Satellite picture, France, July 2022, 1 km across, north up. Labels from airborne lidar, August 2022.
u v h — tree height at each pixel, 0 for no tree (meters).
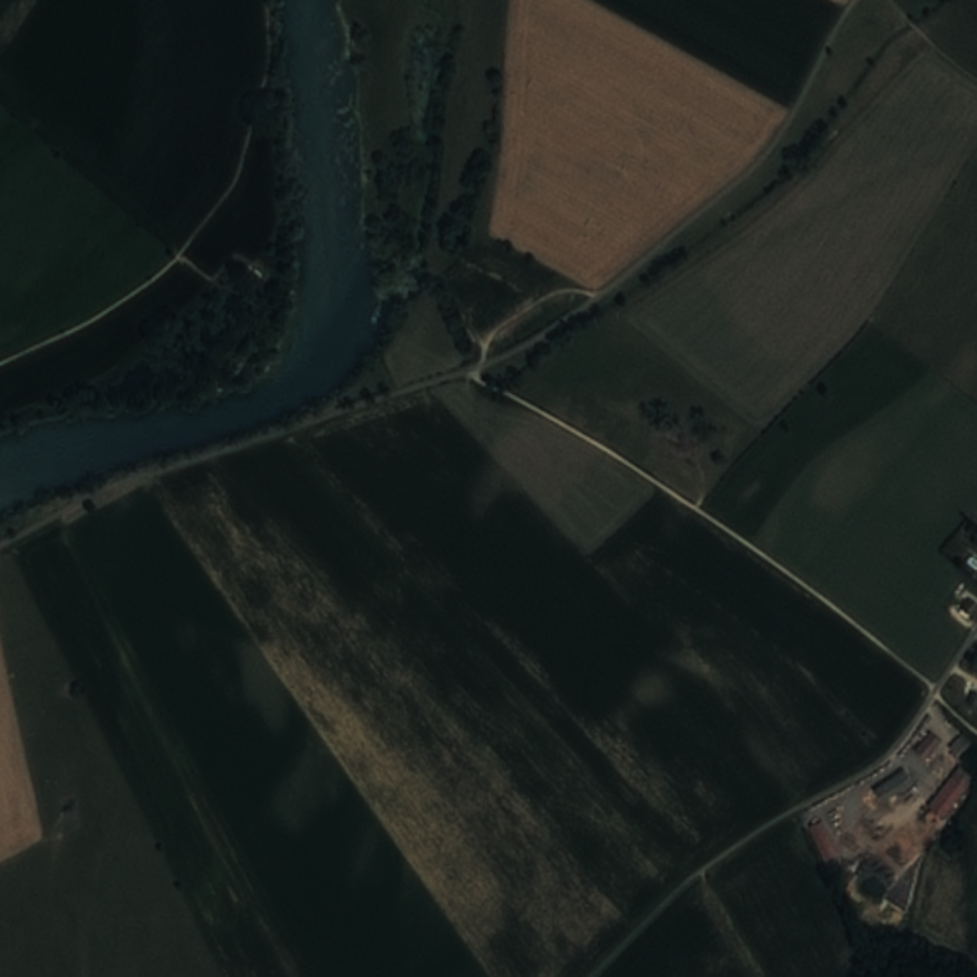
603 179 0
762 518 0
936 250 0
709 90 0
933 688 0
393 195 11
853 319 0
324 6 0
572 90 0
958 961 19
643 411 14
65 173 0
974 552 0
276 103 8
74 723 0
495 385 10
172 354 31
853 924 33
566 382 0
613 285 0
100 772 0
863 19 0
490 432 0
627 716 0
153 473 0
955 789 0
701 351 0
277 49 6
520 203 0
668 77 0
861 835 0
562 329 13
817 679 0
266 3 10
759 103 0
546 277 0
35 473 0
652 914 0
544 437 0
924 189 0
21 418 10
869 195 0
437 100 6
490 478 0
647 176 0
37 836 0
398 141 13
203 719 0
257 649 0
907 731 0
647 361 0
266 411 0
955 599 0
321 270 0
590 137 0
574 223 0
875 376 0
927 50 0
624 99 0
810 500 0
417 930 0
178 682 0
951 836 15
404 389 0
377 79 0
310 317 0
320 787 0
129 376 0
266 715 0
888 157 0
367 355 18
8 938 0
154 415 0
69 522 0
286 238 9
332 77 0
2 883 0
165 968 0
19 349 0
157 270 0
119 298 0
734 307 0
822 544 0
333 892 0
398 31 0
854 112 0
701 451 0
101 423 0
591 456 0
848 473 0
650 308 0
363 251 0
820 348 0
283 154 15
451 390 0
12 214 0
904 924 0
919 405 0
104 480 9
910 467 0
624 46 0
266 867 0
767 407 0
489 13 0
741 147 0
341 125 0
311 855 0
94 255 0
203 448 9
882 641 0
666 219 0
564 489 0
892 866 0
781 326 0
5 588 0
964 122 0
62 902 0
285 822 0
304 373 0
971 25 0
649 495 0
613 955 0
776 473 0
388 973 0
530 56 0
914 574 0
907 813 0
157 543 0
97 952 0
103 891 0
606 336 0
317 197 0
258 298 16
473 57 0
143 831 0
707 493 0
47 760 0
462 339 16
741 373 0
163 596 0
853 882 0
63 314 0
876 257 0
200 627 0
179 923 0
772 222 0
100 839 0
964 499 0
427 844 0
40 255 0
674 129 0
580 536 0
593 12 0
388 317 19
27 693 0
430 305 0
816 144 19
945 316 0
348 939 0
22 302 0
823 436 0
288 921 0
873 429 0
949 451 0
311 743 0
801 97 0
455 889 0
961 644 0
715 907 0
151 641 0
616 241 0
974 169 0
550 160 0
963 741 0
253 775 0
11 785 0
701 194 0
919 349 0
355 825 0
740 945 0
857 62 0
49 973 0
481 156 10
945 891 0
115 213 0
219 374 13
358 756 0
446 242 19
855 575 0
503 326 0
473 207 6
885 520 0
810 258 0
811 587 0
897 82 0
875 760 0
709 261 0
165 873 0
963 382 0
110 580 0
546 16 0
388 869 0
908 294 0
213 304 21
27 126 0
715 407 0
